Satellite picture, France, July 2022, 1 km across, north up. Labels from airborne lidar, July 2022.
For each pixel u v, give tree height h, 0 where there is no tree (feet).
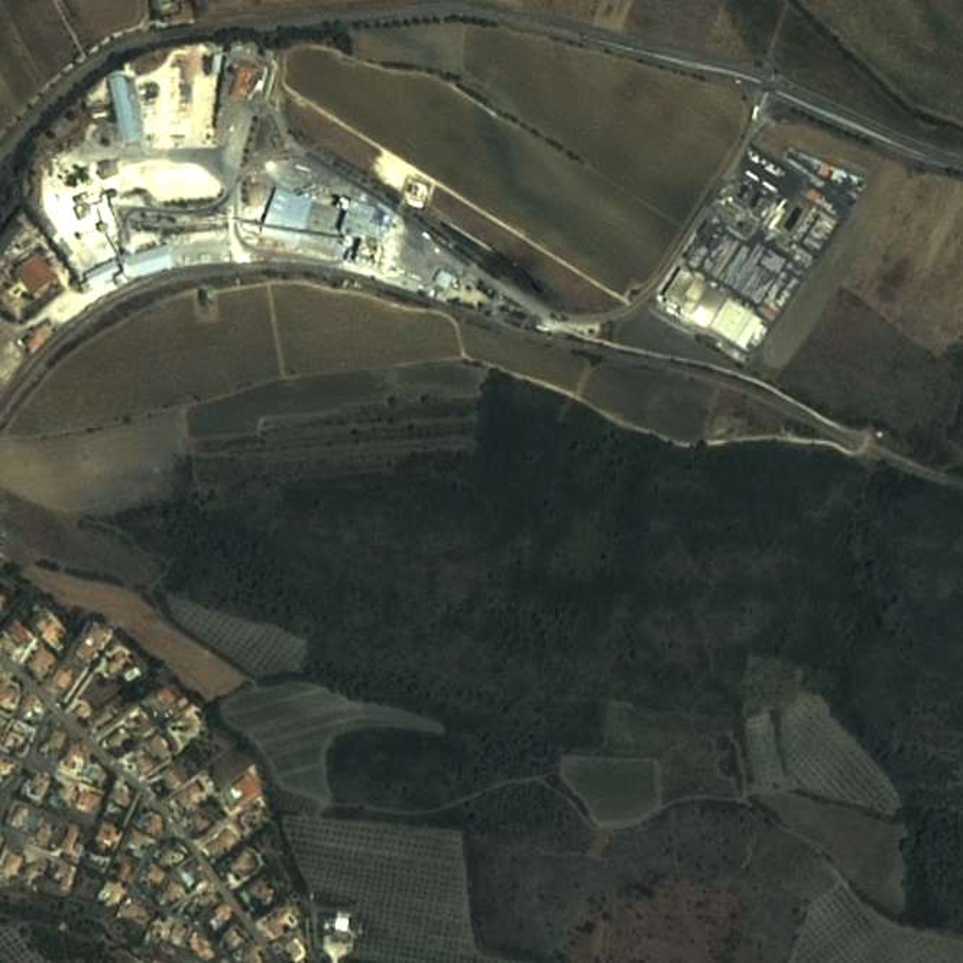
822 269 0
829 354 0
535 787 19
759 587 0
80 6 0
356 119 0
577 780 0
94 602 0
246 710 0
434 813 0
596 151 0
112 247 0
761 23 0
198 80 0
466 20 26
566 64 0
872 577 33
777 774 0
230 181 0
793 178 0
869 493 22
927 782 34
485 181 0
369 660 0
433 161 0
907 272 0
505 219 0
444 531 0
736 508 0
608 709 0
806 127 0
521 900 0
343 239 0
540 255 0
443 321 0
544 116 0
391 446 0
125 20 0
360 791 0
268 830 22
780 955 0
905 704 0
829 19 0
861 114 0
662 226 0
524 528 0
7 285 23
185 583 0
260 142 0
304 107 0
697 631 0
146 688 22
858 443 0
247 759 0
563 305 0
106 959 24
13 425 0
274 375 0
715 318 0
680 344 0
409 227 0
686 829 0
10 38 0
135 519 0
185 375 0
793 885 0
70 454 0
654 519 0
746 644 0
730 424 0
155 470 0
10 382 0
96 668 28
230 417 0
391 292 19
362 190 0
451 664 0
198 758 20
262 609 19
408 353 0
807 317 0
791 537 0
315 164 0
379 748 0
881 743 22
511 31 0
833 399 0
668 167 0
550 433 0
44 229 22
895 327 0
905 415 0
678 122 0
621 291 0
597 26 0
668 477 0
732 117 0
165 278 0
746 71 0
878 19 0
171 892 0
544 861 0
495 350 0
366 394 0
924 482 24
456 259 0
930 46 0
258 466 0
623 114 0
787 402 0
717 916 0
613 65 0
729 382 0
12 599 31
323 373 0
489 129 0
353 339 0
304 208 0
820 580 0
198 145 0
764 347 0
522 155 0
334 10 0
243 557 27
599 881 0
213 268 0
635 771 0
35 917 30
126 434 0
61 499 0
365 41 0
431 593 0
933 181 0
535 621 21
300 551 0
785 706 0
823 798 22
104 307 0
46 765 0
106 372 0
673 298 0
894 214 0
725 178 0
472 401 0
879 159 0
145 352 0
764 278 0
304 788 0
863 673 0
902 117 0
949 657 0
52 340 0
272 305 0
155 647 0
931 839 33
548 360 0
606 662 0
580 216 0
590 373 0
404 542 0
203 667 0
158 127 0
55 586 0
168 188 0
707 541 0
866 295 0
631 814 0
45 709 0
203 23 0
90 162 0
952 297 0
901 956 0
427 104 0
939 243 0
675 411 0
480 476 0
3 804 0
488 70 0
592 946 0
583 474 0
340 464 0
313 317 0
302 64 0
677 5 0
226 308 0
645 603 0
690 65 0
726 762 23
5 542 0
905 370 0
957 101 0
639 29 0
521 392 0
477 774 30
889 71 0
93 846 31
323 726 0
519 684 0
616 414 0
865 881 0
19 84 0
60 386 0
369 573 0
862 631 31
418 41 0
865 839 0
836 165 0
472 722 0
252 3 0
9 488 0
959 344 0
